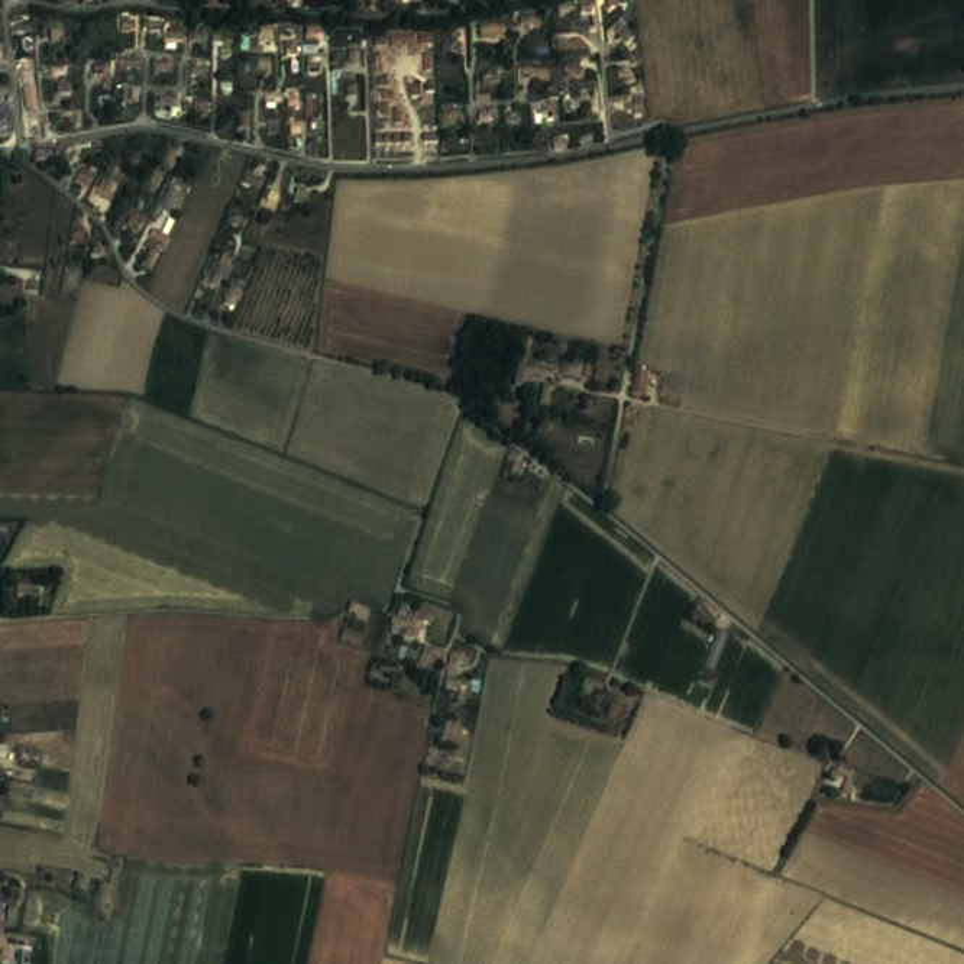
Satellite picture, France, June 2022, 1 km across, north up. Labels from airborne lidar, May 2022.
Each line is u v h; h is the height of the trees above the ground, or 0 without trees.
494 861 0
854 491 0
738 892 0
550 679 0
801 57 0
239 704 0
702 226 0
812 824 0
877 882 0
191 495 0
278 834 0
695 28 0
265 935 0
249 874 0
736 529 0
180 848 0
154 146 7
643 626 0
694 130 0
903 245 0
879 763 0
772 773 0
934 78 0
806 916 0
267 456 0
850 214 0
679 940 0
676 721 0
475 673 6
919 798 0
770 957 0
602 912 0
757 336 0
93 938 0
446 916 0
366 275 0
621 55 10
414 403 0
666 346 0
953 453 0
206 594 0
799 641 0
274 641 0
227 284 14
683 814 0
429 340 0
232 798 0
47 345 0
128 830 0
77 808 0
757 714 0
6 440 0
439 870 0
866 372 0
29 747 0
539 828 0
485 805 0
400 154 0
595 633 0
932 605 0
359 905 0
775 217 0
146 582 0
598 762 0
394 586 0
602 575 0
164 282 0
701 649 0
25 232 0
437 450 0
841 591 0
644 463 0
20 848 0
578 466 0
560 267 0
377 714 0
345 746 0
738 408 0
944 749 0
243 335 0
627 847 0
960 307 0
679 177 0
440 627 0
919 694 0
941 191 0
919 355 0
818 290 0
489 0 16
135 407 0
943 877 0
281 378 0
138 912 0
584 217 0
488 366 21
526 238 0
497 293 0
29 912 0
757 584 0
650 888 0
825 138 0
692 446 0
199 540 0
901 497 0
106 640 0
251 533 0
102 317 0
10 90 0
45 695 0
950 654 0
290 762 0
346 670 0
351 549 0
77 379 0
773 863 0
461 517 0
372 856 0
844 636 0
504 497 0
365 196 0
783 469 0
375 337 0
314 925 0
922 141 0
